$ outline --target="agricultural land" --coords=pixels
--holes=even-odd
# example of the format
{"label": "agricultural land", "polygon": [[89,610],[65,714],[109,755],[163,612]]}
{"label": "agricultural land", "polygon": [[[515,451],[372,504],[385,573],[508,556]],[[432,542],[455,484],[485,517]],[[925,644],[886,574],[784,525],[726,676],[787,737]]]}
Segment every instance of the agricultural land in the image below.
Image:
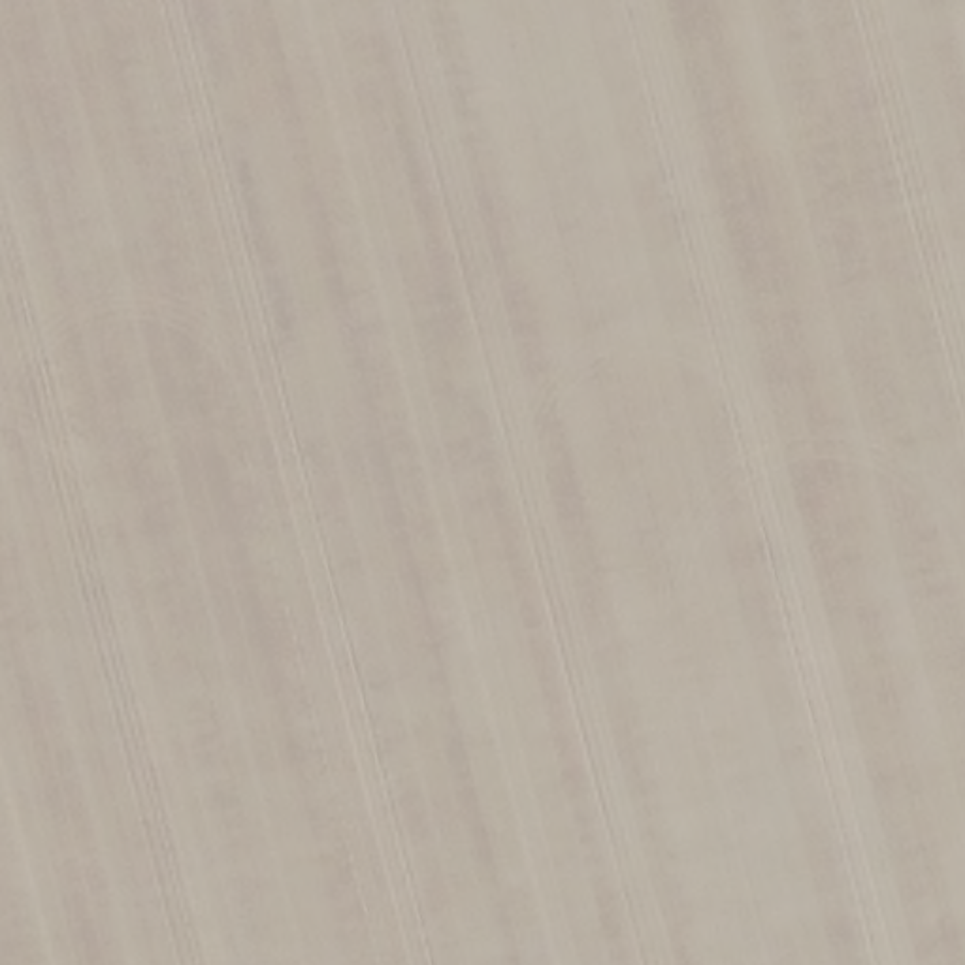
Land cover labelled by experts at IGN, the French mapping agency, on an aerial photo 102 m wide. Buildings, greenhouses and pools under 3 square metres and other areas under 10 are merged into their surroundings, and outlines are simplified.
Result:
{"label": "agricultural land", "polygon": [[0,0],[0,965],[965,965],[965,0]]}

